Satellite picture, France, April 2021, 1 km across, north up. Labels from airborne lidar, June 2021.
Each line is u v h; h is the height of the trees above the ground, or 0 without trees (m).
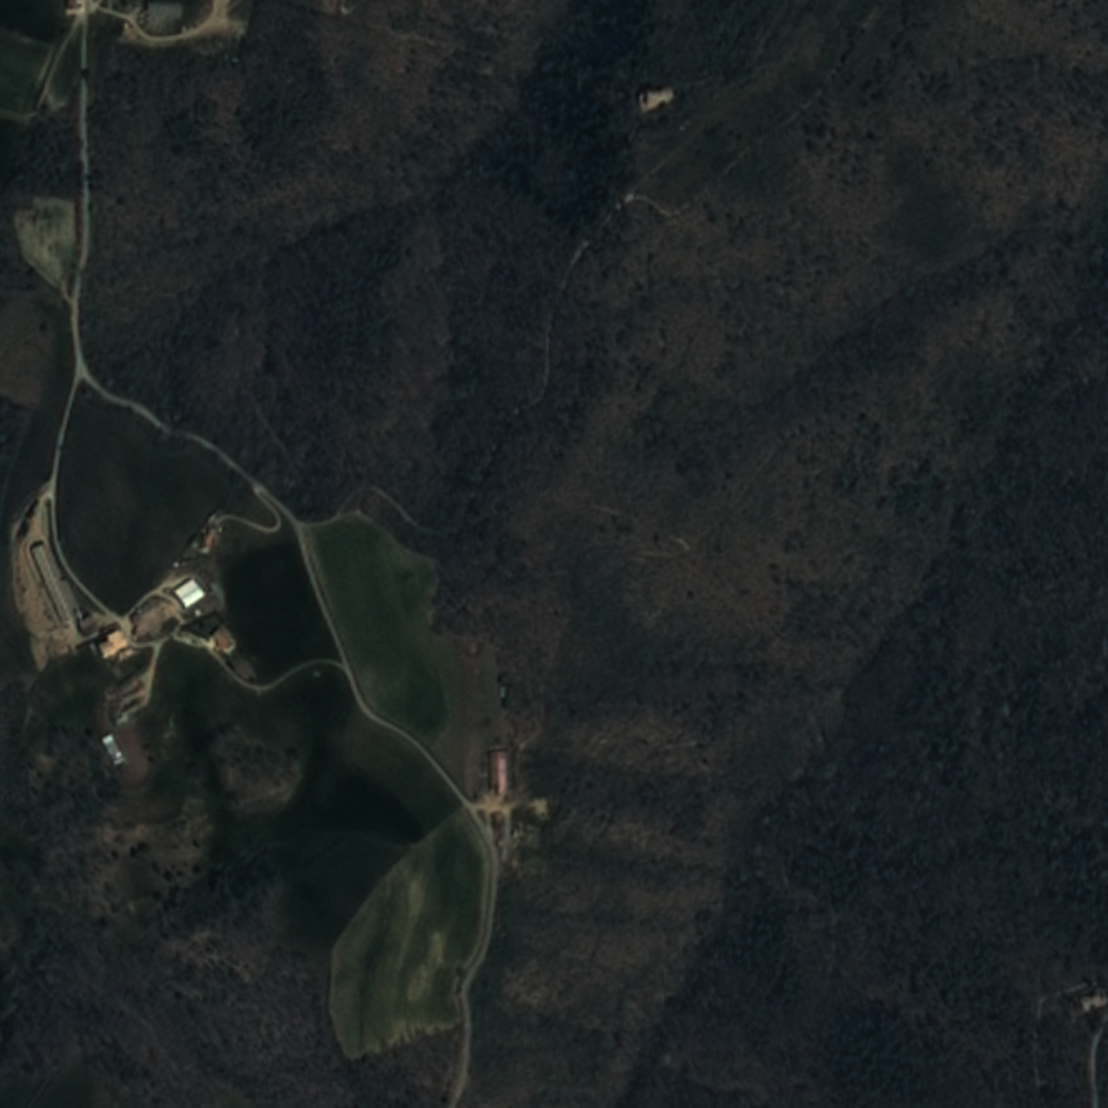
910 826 9
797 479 11
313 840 0
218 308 10
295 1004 7
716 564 7
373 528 0
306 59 11
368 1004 0
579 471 8
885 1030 13
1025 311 15
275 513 0
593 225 16
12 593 0
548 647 6
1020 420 14
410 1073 14
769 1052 10
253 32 7
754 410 22
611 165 19
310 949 0
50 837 9
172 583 0
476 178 18
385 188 18
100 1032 13
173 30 0
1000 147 9
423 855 0
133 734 0
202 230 17
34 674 0
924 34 11
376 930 0
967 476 17
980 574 14
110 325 12
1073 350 12
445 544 9
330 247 22
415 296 13
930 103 9
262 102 7
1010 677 11
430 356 13
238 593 0
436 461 19
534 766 6
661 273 10
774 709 12
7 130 0
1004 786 17
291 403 16
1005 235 12
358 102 6
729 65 7
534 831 9
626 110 11
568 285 6
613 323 7
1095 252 14
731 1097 6
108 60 9
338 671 0
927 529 19
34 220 0
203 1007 15
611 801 7
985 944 9
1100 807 10
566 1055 12
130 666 0
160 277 8
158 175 7
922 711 13
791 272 8
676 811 9
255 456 12
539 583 10
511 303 8
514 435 10
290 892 0
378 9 7
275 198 11
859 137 15
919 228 10
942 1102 15
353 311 7
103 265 9
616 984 10
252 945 8
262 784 10
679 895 6
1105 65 9
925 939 10
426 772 0
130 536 0
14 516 0
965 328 13
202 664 0
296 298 11
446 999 0
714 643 6
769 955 12
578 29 14
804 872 12
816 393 13
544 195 13
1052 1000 12
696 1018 14
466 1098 7
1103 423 8
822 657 14
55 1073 7
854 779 6
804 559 9
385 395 12
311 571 0
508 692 9
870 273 10
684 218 8
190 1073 18
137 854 11
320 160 6
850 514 10
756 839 15
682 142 0
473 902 0
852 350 14
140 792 0
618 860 13
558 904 9
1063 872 13
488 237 11
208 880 0
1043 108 11
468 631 8
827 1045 14
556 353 6
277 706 0
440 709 0
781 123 7
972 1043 14
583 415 11
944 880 12
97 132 9
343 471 10
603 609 8
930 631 15
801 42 0
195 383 10
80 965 17
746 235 10
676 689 11
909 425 11
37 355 0
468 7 9
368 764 0
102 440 0
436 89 7
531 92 18
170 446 10
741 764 9
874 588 16
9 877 21
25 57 0
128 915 0
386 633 0
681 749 6
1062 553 8
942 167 12
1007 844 8
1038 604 14
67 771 13
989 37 7
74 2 0
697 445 10
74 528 0
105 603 0
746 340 10
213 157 10
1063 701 9
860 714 19
